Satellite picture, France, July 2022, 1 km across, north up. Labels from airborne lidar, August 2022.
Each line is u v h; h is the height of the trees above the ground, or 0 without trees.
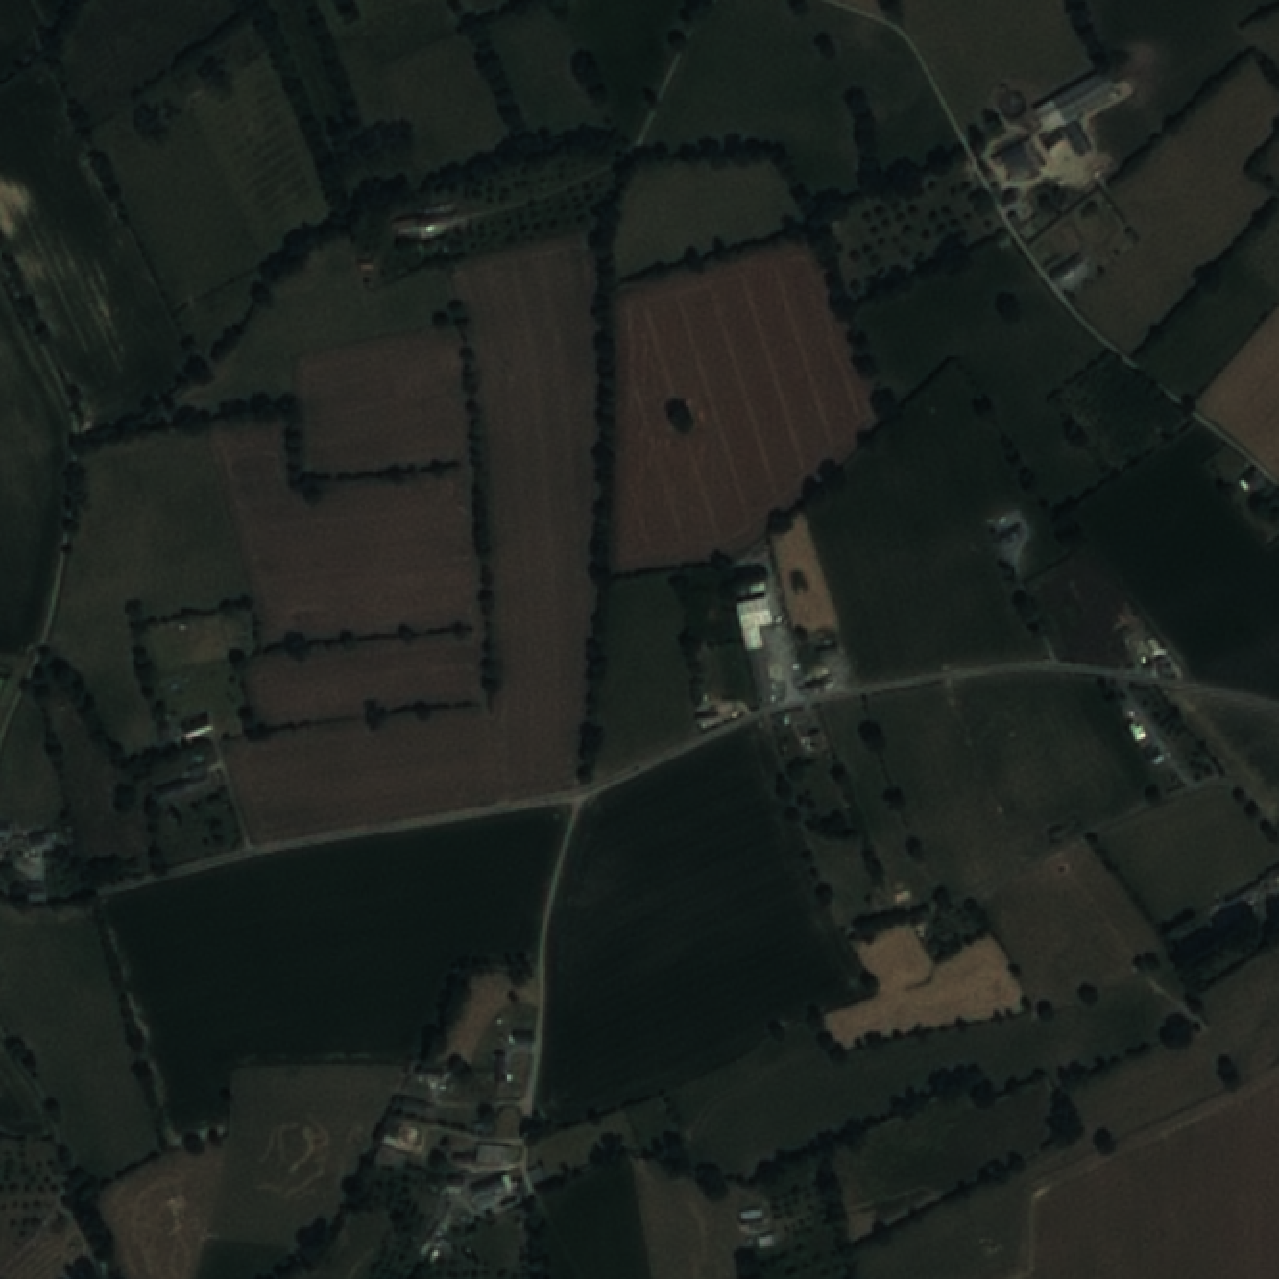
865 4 0
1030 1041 0
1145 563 0
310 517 0
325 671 0
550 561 0
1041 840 0
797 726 0
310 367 0
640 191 0
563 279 0
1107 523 0
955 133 0
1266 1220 0
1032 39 0
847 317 14
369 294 0
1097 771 0
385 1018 0
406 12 0
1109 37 0
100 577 0
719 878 0
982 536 0
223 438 0
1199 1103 0
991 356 0
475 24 17
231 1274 0
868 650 0
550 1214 0
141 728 0
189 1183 0
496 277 0
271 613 0
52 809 0
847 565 0
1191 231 0
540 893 0
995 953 0
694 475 0
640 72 0
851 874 0
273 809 0
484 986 0
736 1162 0
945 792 0
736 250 7
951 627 0
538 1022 0
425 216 0
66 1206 7
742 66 0
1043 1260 0
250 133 0
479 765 0
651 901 0
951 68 0
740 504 0
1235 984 0
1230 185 0
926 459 0
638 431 0
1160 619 0
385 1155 0
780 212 0
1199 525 0
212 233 0
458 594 0
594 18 0
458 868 0
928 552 0
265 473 0
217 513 0
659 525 0
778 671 0
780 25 0
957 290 0
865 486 0
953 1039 0
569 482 0
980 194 9
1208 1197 0
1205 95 8
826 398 0
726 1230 0
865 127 15
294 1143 0
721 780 0
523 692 0
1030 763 0
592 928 0
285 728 5
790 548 0
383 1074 0
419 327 0
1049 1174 0
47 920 0
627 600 0
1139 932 0
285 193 0
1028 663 0
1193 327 0
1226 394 0
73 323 0
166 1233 0
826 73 0
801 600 0
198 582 0
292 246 17
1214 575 0
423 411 0
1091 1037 0
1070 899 0
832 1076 0
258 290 12
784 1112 0
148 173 0
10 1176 7
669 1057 0
